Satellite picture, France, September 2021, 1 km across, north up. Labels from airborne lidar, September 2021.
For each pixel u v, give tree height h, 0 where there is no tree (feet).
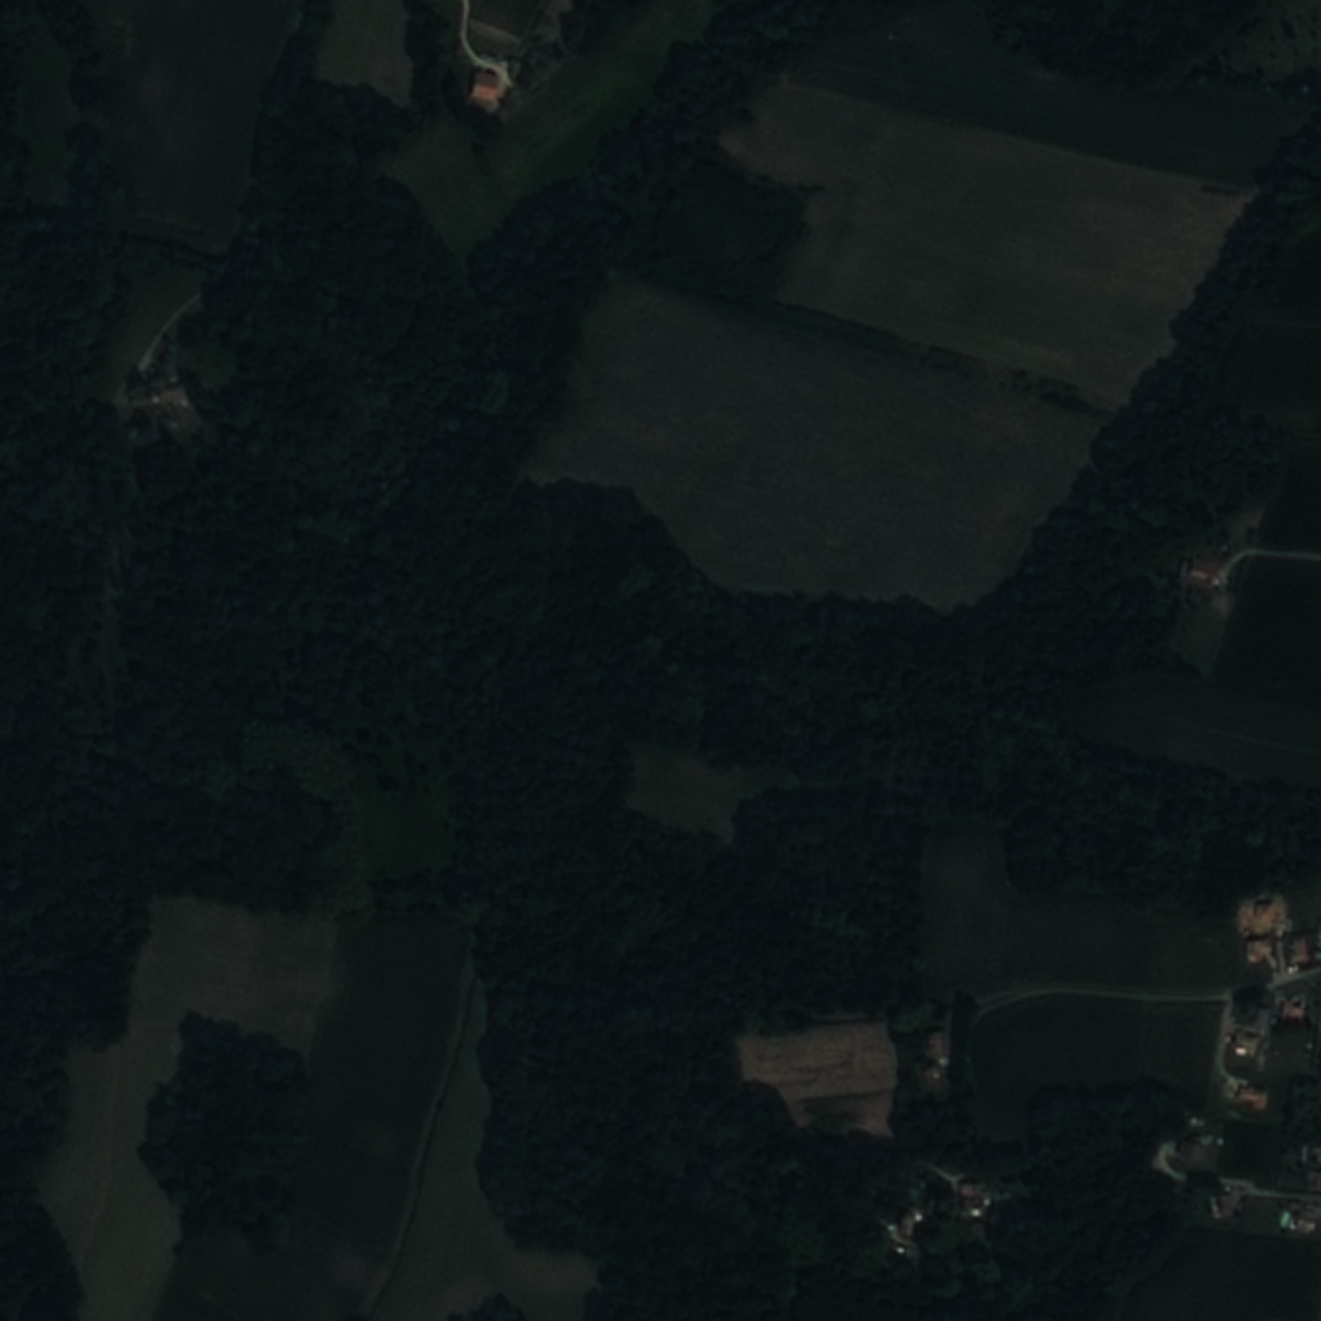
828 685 79
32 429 85
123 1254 0
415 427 51
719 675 83
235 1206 98
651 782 0
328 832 93
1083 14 70
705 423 0
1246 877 81
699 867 46
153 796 82
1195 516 35
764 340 0
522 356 85
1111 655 91
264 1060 85
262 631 97
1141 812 102
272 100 64
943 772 33
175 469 54
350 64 0
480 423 82
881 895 44
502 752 68
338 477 50
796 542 0
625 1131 96
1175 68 65
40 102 0
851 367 0
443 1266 0
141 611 69
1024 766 75
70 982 74
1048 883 83
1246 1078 0
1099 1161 83
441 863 0
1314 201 76
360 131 69
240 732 103
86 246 73
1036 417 0
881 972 41
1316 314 0
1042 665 48
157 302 0
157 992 0
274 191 66
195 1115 68
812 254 0
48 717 76
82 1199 0
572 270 77
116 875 67
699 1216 95
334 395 88
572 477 0
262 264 80
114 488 66
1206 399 53
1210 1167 0
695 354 0
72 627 83
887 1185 99
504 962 60
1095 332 0
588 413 0
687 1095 57
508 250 59
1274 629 0
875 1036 0
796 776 52
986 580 0
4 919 62
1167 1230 73
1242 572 18
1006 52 26
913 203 0
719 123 59
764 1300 71
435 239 65
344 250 78
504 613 78
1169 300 0
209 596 75
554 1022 83
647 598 103
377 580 78
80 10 39
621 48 0
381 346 58
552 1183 91
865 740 49
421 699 33
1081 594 81
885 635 69
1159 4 102
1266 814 56
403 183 0
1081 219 0
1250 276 82
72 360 66
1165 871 80
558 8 0
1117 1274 55
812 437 0
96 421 65
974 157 0
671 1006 84
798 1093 0
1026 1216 73
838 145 0
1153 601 63
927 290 0
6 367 69
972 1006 43
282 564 72
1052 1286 89
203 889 71
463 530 83
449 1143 0
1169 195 0
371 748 23
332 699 36
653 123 30
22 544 82
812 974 57
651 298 0
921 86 0
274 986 0
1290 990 0
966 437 0
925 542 0
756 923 89
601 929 94
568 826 52
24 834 59
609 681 87
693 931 64
